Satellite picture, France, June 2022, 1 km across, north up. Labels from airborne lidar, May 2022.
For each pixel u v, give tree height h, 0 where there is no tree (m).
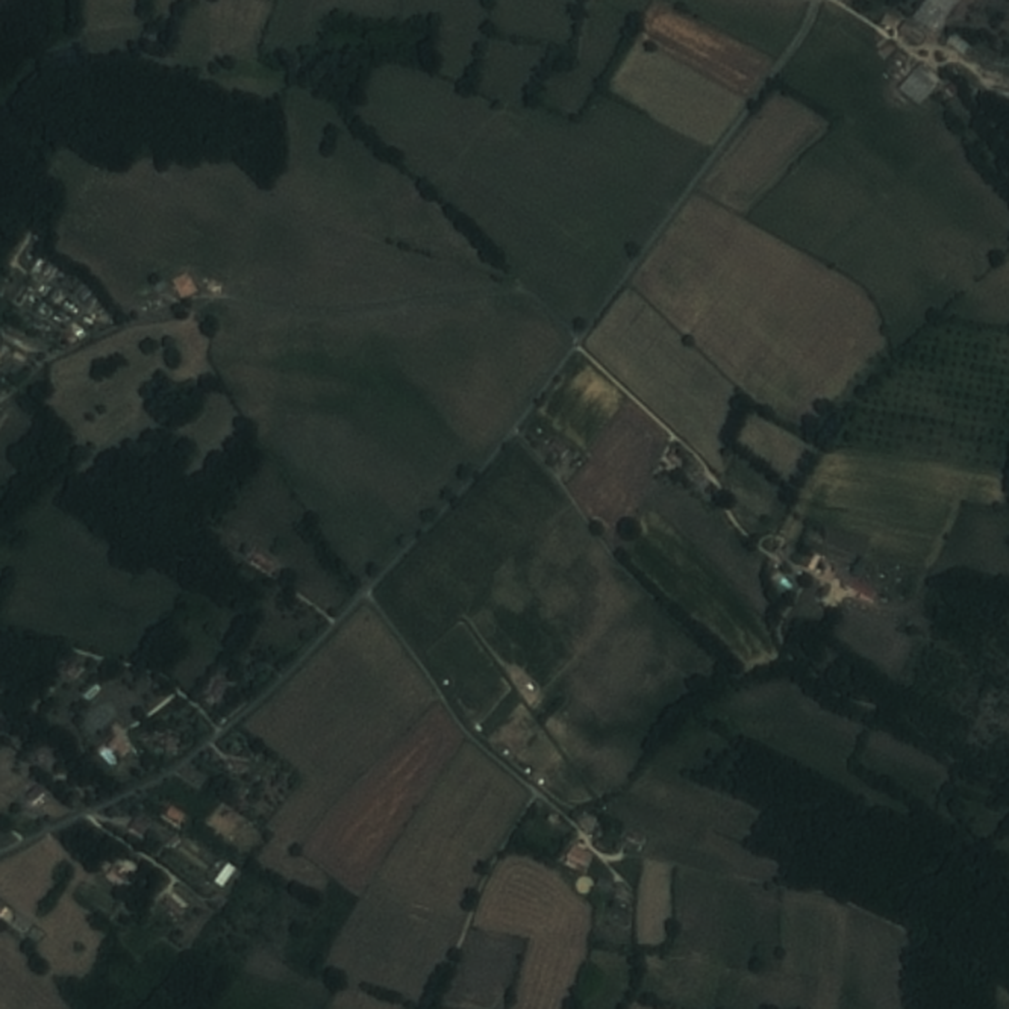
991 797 6
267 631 0
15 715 14
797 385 0
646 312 0
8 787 0
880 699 12
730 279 0
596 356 0
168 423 20
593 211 0
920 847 11
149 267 0
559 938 0
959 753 9
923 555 0
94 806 10
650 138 0
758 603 0
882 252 0
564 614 0
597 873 0
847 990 0
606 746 0
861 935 0
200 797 6
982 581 14
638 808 0
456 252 0
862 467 0
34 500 12
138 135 15
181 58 0
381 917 0
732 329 0
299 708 0
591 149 0
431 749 0
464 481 13
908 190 0
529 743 0
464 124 0
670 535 0
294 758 0
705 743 0
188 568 17
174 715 6
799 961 0
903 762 0
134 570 13
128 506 16
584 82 0
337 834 0
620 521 9
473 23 0
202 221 0
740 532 6
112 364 17
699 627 15
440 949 0
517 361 0
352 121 12
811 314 0
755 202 0
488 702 0
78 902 0
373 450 0
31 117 23
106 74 22
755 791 16
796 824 16
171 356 16
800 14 0
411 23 9
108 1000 5
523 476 0
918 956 17
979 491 0
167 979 9
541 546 0
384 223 0
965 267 0
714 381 0
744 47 0
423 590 0
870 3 10
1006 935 18
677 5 9
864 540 0
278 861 0
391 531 0
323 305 0
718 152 0
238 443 19
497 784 0
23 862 0
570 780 0
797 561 11
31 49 20
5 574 11
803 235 0
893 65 0
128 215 0
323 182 0
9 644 21
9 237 19
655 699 0
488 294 0
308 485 0
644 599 0
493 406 0
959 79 11
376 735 0
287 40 0
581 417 0
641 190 0
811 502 0
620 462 0
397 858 0
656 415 0
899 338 0
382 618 0
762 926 0
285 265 0
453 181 0
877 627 0
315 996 0
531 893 0
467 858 0
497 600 0
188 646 13
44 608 0
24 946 15
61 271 11
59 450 19
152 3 15
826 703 12
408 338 0
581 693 0
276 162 19
